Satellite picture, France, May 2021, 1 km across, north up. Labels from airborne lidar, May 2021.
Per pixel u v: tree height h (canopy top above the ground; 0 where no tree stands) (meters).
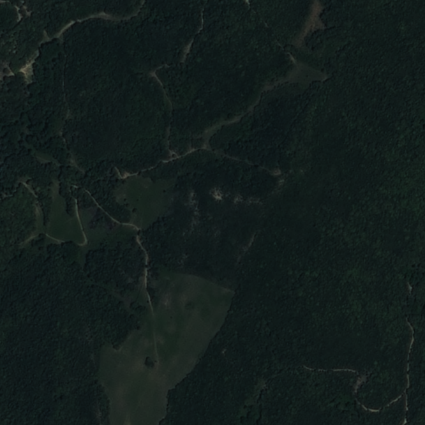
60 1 9
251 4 7
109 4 7
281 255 8
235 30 9
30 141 22
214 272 6
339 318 7
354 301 15
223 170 7
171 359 0
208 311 0
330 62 10
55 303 6
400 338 11
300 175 6
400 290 9
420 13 8
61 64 11
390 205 14
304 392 11
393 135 11
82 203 9
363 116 12
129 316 7
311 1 11
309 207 6
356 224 9
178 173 12
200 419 8
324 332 5
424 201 16
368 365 6
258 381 10
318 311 7
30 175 8
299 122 9
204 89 9
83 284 14
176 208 6
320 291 9
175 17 12
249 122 6
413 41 15
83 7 7
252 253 6
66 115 7
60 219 0
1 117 6
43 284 10
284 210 6
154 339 0
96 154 6
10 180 13
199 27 11
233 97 11
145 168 8
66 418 9
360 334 9
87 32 13
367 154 14
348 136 9
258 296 6
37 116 12
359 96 9
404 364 6
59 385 9
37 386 13
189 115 11
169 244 7
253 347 11
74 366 6
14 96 13
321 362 7
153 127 6
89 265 14
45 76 19
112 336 9
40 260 7
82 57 9
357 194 9
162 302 0
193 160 6
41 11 12
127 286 6
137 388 0
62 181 11
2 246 10
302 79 0
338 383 9
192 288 0
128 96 8
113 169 10
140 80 6
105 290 10
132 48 8
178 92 14
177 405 8
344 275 12
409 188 14
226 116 6
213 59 11
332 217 14
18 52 14
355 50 11
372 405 8
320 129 6
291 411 13
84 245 0
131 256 7
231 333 9
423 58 9
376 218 8
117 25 7
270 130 11
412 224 9
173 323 0
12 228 13
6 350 8
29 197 12
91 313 8
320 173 7
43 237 11
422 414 16
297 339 9
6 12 9
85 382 11
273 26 8
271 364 12
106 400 9
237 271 7
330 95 9
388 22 8
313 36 10
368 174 8
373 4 13
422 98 9
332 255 9
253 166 9
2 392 13
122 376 0
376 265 6
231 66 9
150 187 0
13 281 6
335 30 14
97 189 11
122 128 6
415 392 8
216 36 11
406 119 13
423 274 20
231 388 7
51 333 10
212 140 7
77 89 12
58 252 20
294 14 6
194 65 7
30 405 6
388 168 7
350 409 13
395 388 8
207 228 7
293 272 9
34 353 7
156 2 7
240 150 11
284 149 12
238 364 6
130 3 7
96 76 10
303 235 5
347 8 8
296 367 12
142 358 0
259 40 10
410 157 7
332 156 8
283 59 9
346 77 11
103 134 6
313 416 6
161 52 8
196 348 0
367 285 12
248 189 9
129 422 0
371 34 6
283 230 7
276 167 6
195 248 7
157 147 5
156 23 16
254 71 10
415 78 15
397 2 15
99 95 7
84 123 8
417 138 15
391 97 8
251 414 18
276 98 7
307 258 10
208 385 8
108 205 7
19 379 9
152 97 7
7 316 13
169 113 7
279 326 8
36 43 17
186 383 7
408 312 18
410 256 16
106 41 9
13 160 8
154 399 0
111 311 13
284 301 13
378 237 11
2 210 10
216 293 0
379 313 16
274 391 12
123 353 0
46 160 0
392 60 8
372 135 8
